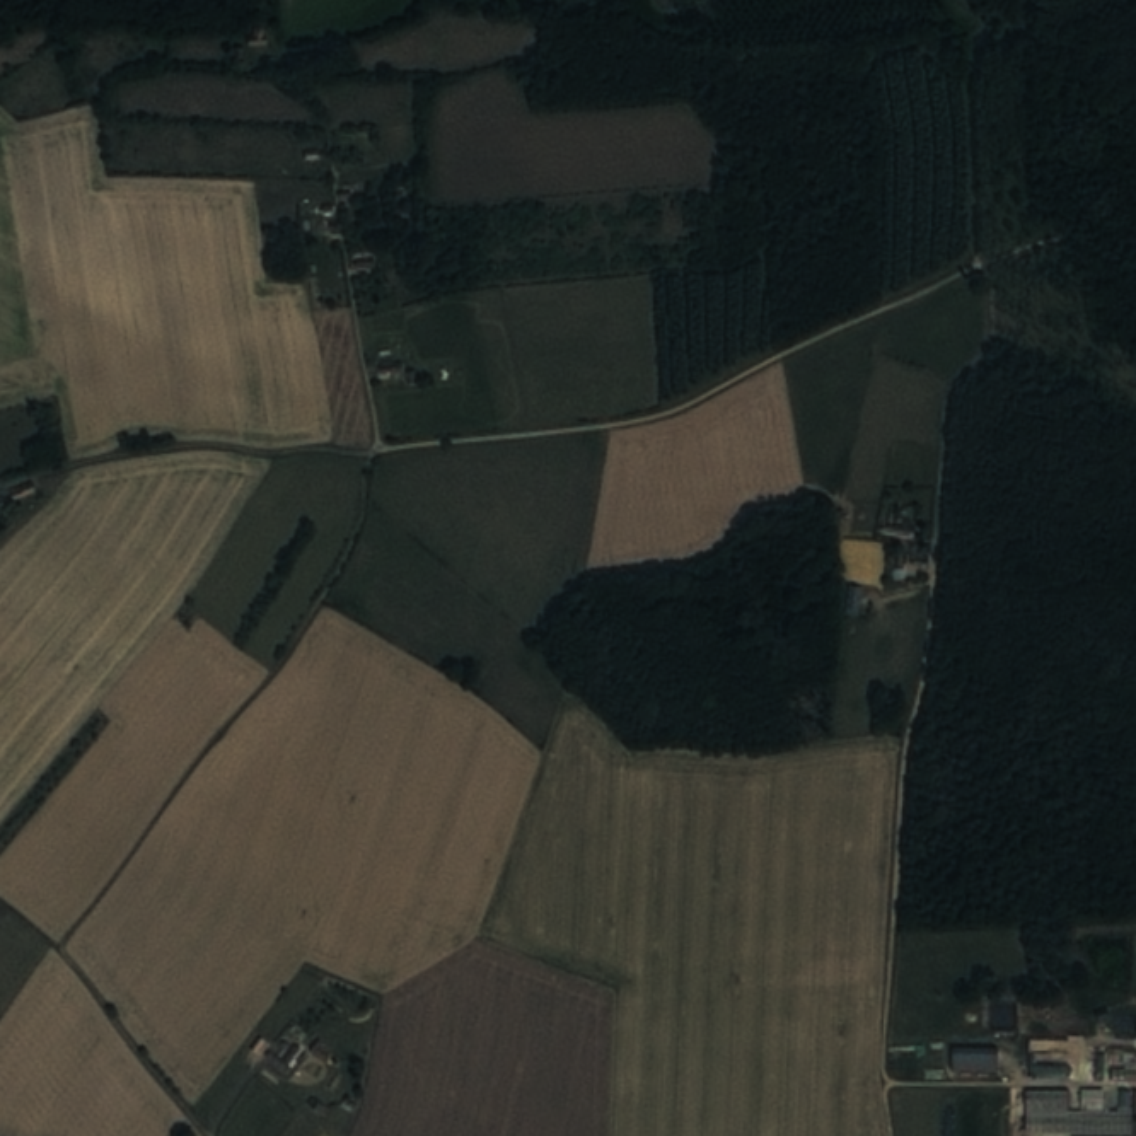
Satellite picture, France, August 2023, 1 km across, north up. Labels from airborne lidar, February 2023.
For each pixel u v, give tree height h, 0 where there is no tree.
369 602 0
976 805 14
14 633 0
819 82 14
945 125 14
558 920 0
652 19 0
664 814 0
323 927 0
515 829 0
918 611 0
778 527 22
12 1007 0
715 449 0
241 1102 0
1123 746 15
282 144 0
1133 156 9
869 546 0
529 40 0
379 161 0
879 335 0
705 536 0
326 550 0
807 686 18
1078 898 14
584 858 0
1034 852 18
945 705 17
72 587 0
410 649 0
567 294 0
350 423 0
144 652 0
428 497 0
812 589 24
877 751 0
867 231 10
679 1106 0
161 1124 0
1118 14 19
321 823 0
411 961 0
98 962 0
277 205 0
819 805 0
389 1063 0
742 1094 0
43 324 0
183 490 0
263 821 0
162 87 0
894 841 0
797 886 0
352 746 0
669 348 10
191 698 0
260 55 0
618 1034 0
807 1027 0
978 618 20
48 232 0
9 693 0
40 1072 0
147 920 0
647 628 20
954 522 14
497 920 0
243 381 0
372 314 0
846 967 0
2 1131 0
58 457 12
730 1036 0
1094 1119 0
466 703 0
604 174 0
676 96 8
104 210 0
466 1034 0
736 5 16
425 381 14
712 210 11
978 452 17
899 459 0
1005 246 20
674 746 11
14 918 0
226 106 0
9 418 0
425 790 0
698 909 0
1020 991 14
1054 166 8
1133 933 0
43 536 0
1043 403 19
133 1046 0
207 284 0
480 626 0
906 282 12
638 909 0
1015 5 25
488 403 0
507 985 0
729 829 0
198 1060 0
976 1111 0
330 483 0
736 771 0
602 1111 0
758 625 23
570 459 0
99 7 36
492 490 0
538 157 0
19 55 0
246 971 0
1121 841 12
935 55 7
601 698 18
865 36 15
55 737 0
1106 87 20
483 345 0
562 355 0
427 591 0
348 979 0
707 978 0
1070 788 11
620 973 0
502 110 0
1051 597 17
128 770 0
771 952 0
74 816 0
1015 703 16
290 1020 0
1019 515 17
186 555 0
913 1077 0
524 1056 0
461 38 0
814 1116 0
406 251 9
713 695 23
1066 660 20
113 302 0
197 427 0
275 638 0
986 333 0
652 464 0
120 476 0
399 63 0
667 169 0
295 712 0
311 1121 0
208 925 0
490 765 0
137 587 0
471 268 11
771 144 12
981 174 19
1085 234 16
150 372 0
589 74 11
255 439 0
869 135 14
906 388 0
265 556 0
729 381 0
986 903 13
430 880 0
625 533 0
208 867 0
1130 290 18
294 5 0
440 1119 0
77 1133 0
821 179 8
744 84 13
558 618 19
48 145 0
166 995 0
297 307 0
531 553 0
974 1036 0
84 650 0
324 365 0
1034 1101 0
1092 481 17
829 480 0
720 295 14
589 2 9
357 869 0
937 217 14
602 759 0
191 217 0
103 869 0
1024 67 13
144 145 0
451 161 0
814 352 0
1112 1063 0
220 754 0
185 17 34
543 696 0
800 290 11
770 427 0
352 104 0
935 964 0
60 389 0
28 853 0
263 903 0
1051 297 23
